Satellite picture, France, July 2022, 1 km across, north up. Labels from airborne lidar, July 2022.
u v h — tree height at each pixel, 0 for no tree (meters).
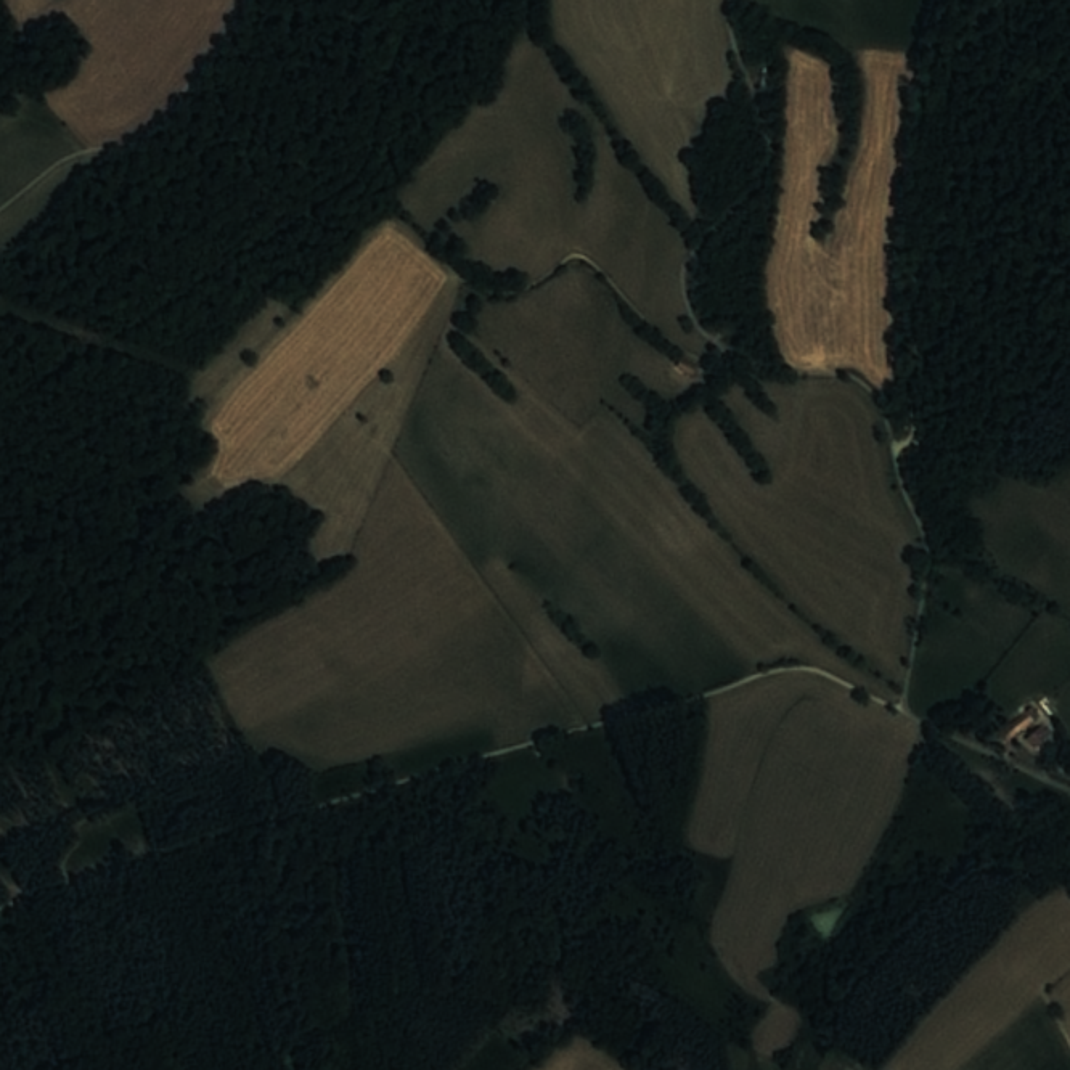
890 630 0
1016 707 0
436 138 16
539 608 0
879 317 0
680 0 0
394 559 0
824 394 0
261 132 26
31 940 13
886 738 0
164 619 30
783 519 0
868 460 0
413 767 0
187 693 25
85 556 30
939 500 14
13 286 25
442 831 11
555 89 0
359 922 25
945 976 22
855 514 0
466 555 0
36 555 32
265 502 23
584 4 0
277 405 0
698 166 17
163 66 0
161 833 14
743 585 0
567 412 0
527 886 16
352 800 13
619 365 0
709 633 0
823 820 0
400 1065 18
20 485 25
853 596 0
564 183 0
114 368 26
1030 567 0
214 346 19
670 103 0
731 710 0
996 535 0
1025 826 11
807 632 0
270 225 23
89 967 16
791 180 0
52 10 0
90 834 0
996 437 14
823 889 0
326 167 22
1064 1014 17
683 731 37
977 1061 0
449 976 25
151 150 25
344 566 16
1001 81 23
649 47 0
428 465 0
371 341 0
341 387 0
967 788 23
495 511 0
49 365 23
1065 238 24
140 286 23
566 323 0
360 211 26
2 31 22
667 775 35
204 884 10
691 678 0
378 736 0
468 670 0
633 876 15
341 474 0
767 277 15
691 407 20
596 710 0
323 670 0
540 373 0
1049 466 19
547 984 32
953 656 0
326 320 0
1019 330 24
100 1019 7
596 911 14
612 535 0
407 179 17
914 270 24
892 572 0
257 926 18
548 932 20
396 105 30
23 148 0
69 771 22
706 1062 27
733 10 20
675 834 14
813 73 0
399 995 17
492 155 0
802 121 0
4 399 20
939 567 19
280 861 25
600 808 0
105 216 24
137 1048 26
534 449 0
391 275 0
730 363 19
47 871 24
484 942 33
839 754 0
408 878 23
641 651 0
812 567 0
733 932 0
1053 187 25
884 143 0
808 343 0
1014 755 6
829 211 17
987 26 24
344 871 15
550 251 0
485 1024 24
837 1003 21
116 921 19
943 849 0
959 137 20
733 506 0
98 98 0
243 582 32
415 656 0
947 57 26
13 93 14
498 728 0
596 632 0
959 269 23
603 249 0
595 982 23
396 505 0
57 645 27
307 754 0
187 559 36
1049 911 0
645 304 0
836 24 0
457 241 18
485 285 16
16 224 0
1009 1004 0
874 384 0
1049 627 0
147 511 7
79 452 24
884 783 0
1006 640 0
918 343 23
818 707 0
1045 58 26
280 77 25
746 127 8
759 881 0
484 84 18
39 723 30
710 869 0
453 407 0
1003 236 19
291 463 0
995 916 22
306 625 0
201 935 10
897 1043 22
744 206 15
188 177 24
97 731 22
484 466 0
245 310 18
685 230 15
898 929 18
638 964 8
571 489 0
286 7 30
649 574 0
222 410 0
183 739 25
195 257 25
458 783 14
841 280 0
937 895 15
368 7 23
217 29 0
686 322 11
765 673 8
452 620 0
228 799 25
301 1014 34
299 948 34
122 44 0
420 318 0
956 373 24
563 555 0
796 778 0
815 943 18
